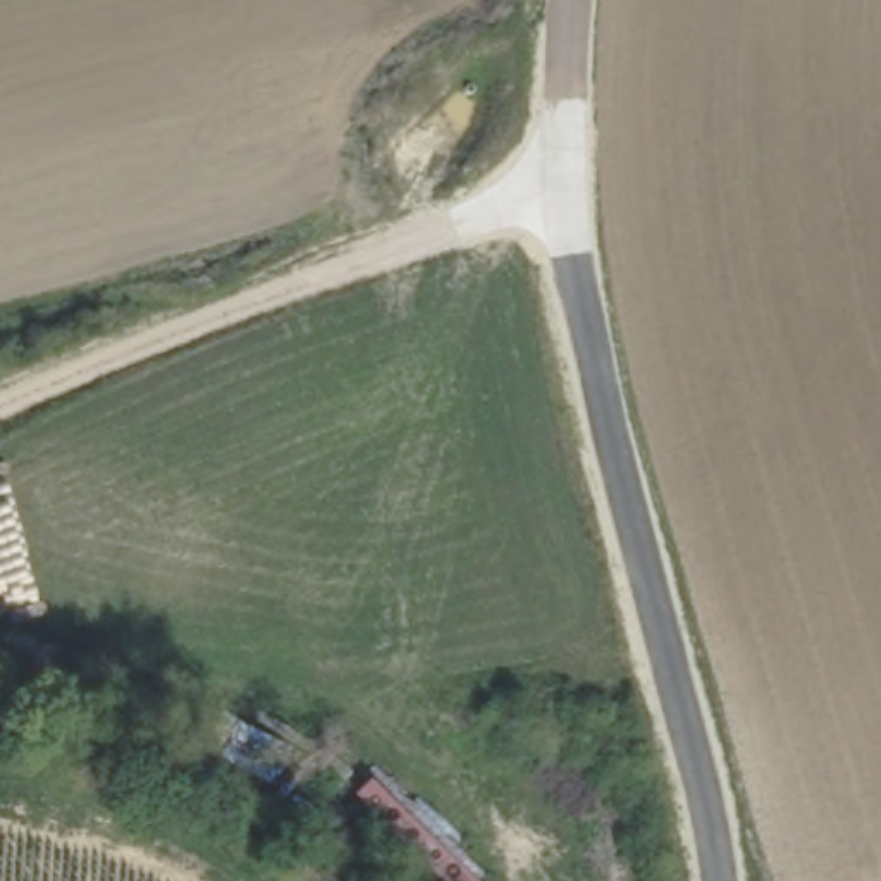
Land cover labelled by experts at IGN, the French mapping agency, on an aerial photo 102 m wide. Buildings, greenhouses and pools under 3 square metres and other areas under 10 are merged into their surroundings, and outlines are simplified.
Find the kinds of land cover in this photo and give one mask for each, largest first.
<instances>
[{"label":"plowed land","instance_id":"1","mask_svg":"<svg viewBox=\"0 0 881 881\"><path fill-rule=\"evenodd\" d=\"M475 0H0V303L93 286L127 268L155 265L172 255L206 251L217 244L268 234L303 213L327 206L334 200V186L341 182V148L351 131L348 110L365 89L368 72L385 59V52L396 41ZM592 107V213L595 244L602 258L613 268L609 275L616 286L619 327L626 341L640 416L654 451L661 496L668 502V516L681 547L699 626L719 681L730 736L736 747L771 881H881V0H599Z\"/></svg>","mask_w":881,"mask_h":881},{"label":"agricultural land","instance_id":"2","mask_svg":"<svg viewBox=\"0 0 881 881\"><path fill-rule=\"evenodd\" d=\"M575 413L564 399L554 341L544 320L540 268L527 258V251L516 241L492 237L475 248L441 251L423 262H410L337 289H323L317 296L255 313L231 327L210 330L169 351L96 375L93 382H83L69 392L41 399L0 420V465L7 461L14 468L10 489L17 502V520L24 527L31 575L38 585V602L31 606L0 599V668H62L72 650H103L124 664L176 671L182 657L193 654L206 664L210 678L200 688V712L206 723L203 733L217 736L224 716H237L251 730L265 733L258 712H268L272 719L296 726L310 740H323V730L344 709L354 726L344 736L354 764H368L372 774L382 771L385 778L406 788V798L427 802L434 812H441L458 829L465 853L482 867L485 881H506V860L496 847V833L489 822L492 809H499L502 819H509L513 826H530L533 833L558 840L561 860L547 864V881H606L592 867V840L613 836V809L592 795V785L582 778L578 767L554 764L561 750L558 723L540 716L509 719L492 705V699L516 692L520 675L564 671L592 685H619L633 675L595 506L582 471Z\"/></svg>","mask_w":881,"mask_h":881},{"label":"herbaceous vegetation","instance_id":"3","mask_svg":"<svg viewBox=\"0 0 881 881\"><path fill-rule=\"evenodd\" d=\"M544 21V0H475L396 41L385 52V59L368 72L365 89L348 110L351 131L341 148V182L334 186V200L327 206L303 213L268 234L217 244L206 251L172 255L155 265L127 268L93 286L100 293V310L89 313V323L83 327L89 341L120 337L158 313H189L224 296H234L248 286L289 275L293 268L330 262L344 255L354 241L368 237L375 227L403 220L430 206L434 200H454L458 189H475L520 148L530 120L533 79V41ZM613 268L602 258L609 303L606 327V337L616 348L623 396L640 465L650 482L661 533L671 554L716 736L723 747L740 819L747 881H771L736 747L730 736L719 681L699 626L681 547L668 516V502L661 496L654 451L640 416L626 341L619 327L616 286L609 275ZM0 816L38 826L45 819H55L62 833L83 829L124 843L114 833L110 812H93L83 798L55 795L38 778L17 774L0 764ZM155 857L176 860L203 874V860L182 853L176 840L151 836L145 847ZM337 864H299L293 871L279 867L275 878L265 881H334Z\"/></svg>","mask_w":881,"mask_h":881},{"label":"pervious surface","instance_id":"4","mask_svg":"<svg viewBox=\"0 0 881 881\"><path fill-rule=\"evenodd\" d=\"M592 107L585 100L551 103L544 86L533 79L530 120L520 148L475 189H458L454 200H434L430 206L403 220L375 227L368 237L354 241L344 255L330 262L293 268L289 275L248 286L234 296H224L189 313H158L120 337L89 341L76 354L31 365L0 382V420L41 399L69 392L83 382H93L96 375L169 351L210 330L231 327L255 313L317 296L323 289H337L410 262H423L441 251L475 248L492 237L516 241L527 251V258L540 268L544 320L554 341L564 399L575 413L582 471L595 506L633 675L650 712L654 740L668 771L688 881H702L685 778L661 705L650 654L644 644L626 558L609 509L602 465L595 454L571 327L554 275V258L561 255L588 258L606 327L609 303L602 258L595 244L592 213ZM626 441L633 451L671 613L678 623L688 681L712 754L736 881H747L740 819L723 747L716 736L671 554L661 533L650 482L640 465L623 396ZM489 822L496 833V847L506 860V881H547V864L561 860L558 840L533 833L530 826H513L509 819H502L499 809H492ZM592 867L606 881H630V871L616 857L613 836L592 840Z\"/></svg>","mask_w":881,"mask_h":881},{"label":"deciduous trees","instance_id":"5","mask_svg":"<svg viewBox=\"0 0 881 881\"><path fill-rule=\"evenodd\" d=\"M210 678L206 664L193 654L182 657L176 671L124 664L103 650H72L62 668H0V764L17 774L38 778L55 795L83 798L93 812H110L114 833L124 843L145 847L151 836L176 840L182 853L203 860V874L206 881H265L275 878L279 867L293 871L299 864H337L334 881H379L396 878L410 864V850L420 843L416 829H403L396 822L392 809L361 798V788L372 781V774L368 764H354L351 781L337 778L334 771H313L306 781H296L293 767L286 764L272 781H265L248 767L224 761L217 750V736L203 733L206 723L200 712V688Z\"/></svg>","mask_w":881,"mask_h":881},{"label":"impervious surface","instance_id":"6","mask_svg":"<svg viewBox=\"0 0 881 881\"><path fill-rule=\"evenodd\" d=\"M599 0H544V21L533 41V79L544 86L551 103L585 100L592 107ZM554 275L571 327L595 454L602 465L609 509L626 558L644 644L650 654L661 705L685 778L702 881H736L712 754L688 681L678 623L671 613L633 451L626 441L623 396L616 348L606 337V327L588 258L561 255L554 258ZM14 468L7 461L0 465V599L31 606L38 602V585L31 575L24 527L17 520V502L10 489ZM265 733L251 730L237 716H224L217 736V750L224 761L248 767L265 781H272L286 764L293 767L296 781H306L313 771H334L337 778L351 781L354 764L344 736L354 726L344 709L323 730V740H310L296 726L272 719L268 712H258ZM361 798L392 809L396 822L403 829H416L420 843L427 850H437L434 874L444 881H485L482 867L465 853L458 829L441 812H434L427 802L406 798V788L385 778L382 771L372 774V781L361 788Z\"/></svg>","mask_w":881,"mask_h":881},{"label":"brushwood","instance_id":"7","mask_svg":"<svg viewBox=\"0 0 881 881\"><path fill-rule=\"evenodd\" d=\"M100 310V293L93 286L0 303V382L31 365L76 354L89 341L83 327L89 323V313ZM492 705L509 719L540 716L558 723L561 750L554 764L578 767L582 778L592 785V795L613 809V836L616 857L630 871V881H688L668 771L654 740L650 712L633 675L619 685H592L564 671L520 675L516 692L492 699ZM437 850H427L420 843L410 850V864L396 878L379 881H444L434 874Z\"/></svg>","mask_w":881,"mask_h":881},{"label":"vineyard","instance_id":"8","mask_svg":"<svg viewBox=\"0 0 881 881\"><path fill-rule=\"evenodd\" d=\"M0 881H206L203 874L176 860L155 857L145 847L124 843L83 829L62 833L55 819H45L38 826L0 816Z\"/></svg>","mask_w":881,"mask_h":881}]
</instances>
